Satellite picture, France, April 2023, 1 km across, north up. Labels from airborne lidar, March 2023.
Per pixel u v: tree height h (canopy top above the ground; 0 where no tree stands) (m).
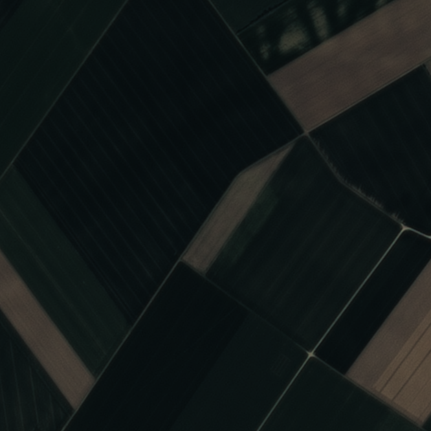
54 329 0
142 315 0
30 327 0
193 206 0
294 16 0
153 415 0
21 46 0
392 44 0
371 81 0
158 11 0
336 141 0
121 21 0
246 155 0
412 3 0
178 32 0
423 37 0
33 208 0
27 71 0
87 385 0
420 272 0
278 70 0
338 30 0
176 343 0
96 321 0
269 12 7
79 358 0
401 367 0
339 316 0
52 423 0
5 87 0
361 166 0
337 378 0
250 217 0
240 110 0
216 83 0
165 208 0
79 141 0
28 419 0
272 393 0
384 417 0
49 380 0
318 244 0
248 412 0
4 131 0
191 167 0
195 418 0
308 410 0
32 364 0
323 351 0
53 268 0
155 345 0
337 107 0
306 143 0
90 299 0
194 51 0
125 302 0
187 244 0
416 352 0
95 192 0
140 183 0
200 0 0
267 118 0
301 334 0
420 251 0
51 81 0
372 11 0
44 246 0
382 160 0
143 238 0
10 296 0
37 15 0
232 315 0
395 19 0
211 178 0
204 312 0
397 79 0
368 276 0
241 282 0
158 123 0
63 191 0
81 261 0
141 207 0
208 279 0
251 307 0
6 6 0
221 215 0
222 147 0
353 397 0
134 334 0
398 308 0
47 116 0
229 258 0
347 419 0
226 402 0
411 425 0
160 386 0
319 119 0
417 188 0
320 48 0
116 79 0
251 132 0
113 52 0
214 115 0
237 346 0
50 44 0
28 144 0
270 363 0
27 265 0
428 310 0
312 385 0
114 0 0
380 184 0
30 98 0
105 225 0
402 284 0
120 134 0
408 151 0
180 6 0
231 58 0
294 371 0
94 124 0
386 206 0
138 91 0
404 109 0
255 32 0
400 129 0
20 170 0
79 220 0
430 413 0
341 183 0
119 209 0
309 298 0
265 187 0
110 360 0
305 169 0
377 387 0
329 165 0
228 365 0
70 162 0
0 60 0
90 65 0
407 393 0
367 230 0
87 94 0
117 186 0
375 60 0
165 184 0
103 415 0
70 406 0
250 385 0
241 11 0
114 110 0
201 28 0
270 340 0
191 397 0
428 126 0
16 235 0
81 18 0
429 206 0
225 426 0
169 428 0
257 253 0
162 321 0
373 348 0
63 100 0
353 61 0
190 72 0
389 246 0
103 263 0
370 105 0
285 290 0
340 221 0
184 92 0
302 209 0
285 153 0
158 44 0
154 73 0
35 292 0
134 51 0
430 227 0
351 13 0
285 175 0
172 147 0
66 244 0
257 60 0
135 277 0
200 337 0
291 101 0
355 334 0
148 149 0
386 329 0
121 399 0
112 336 0
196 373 0
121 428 0
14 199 0
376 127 0
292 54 0
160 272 0
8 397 0
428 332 0
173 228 0
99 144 0
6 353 0
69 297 0
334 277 0
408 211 0
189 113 0
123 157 0
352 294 0
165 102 0
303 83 0
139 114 0
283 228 0
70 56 0
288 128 0
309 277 0
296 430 0
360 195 0
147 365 0
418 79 0
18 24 0
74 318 0
